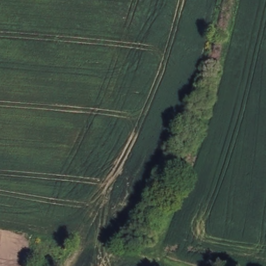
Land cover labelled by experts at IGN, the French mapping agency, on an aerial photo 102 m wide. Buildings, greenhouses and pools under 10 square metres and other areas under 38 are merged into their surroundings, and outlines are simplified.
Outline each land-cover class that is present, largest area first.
<instances>
[{"label":"agricultural land","instance_id":"1","mask_svg":"<svg viewBox=\"0 0 266 266\"><path fill-rule=\"evenodd\" d=\"M229 0H0V266H57L59 261L53 259L52 247L58 244L63 248L64 240L68 237L74 238L76 232L80 237L79 248L63 266H159L156 261L141 257L122 258L115 255L110 248V240L124 225H128L130 212L141 201L144 188L164 182L166 162L176 159L177 156L164 155L162 145L169 137H182L185 125L198 124L201 121V118L187 108L185 97L192 92L196 77L192 74L194 64L202 55V49L208 39L206 28L211 23L219 21V4H228ZM228 52L222 65L223 73L218 84L213 114L208 121L207 136L197 150L193 166L192 169L199 172L195 188L188 197L178 192L177 201L165 208L166 211L174 213L165 229L163 246L166 258L176 257L197 266H266V0H239L235 24L227 43Z\"/></svg>","mask_w":266,"mask_h":266},{"label":"deciduous trees","instance_id":"2","mask_svg":"<svg viewBox=\"0 0 266 266\"><path fill-rule=\"evenodd\" d=\"M193 166L185 158L177 156L176 159L166 162L164 182L144 188L141 201L130 212L128 225H124L110 240V248L115 255L122 258L141 257L145 249L142 239L149 236L153 230L161 233L165 229L174 213L166 211L165 208L177 201L178 192L188 197L195 188L199 172L192 169Z\"/></svg>","mask_w":266,"mask_h":266},{"label":"coniferous trees","instance_id":"3","mask_svg":"<svg viewBox=\"0 0 266 266\"><path fill-rule=\"evenodd\" d=\"M223 73L222 65L217 60L209 59V55H202L194 64L192 74L196 77L192 92L185 97L187 108L201 118V121L198 124L185 125L182 137H169L162 145L164 155L177 156L185 158L193 166L197 150L207 136L208 121L213 114L218 84Z\"/></svg>","mask_w":266,"mask_h":266},{"label":"brushwood","instance_id":"4","mask_svg":"<svg viewBox=\"0 0 266 266\"><path fill-rule=\"evenodd\" d=\"M239 0H229L228 4H219V21L211 23L206 28L208 39L202 49V55H209V59L217 60L222 65L228 52L227 43L235 24ZM80 237L76 232L74 238L68 237L64 240L63 248L58 244L52 247L53 259L59 261L57 266H63L79 248Z\"/></svg>","mask_w":266,"mask_h":266},{"label":"herbaceous vegetation","instance_id":"5","mask_svg":"<svg viewBox=\"0 0 266 266\"><path fill-rule=\"evenodd\" d=\"M165 229L161 233L153 230L149 236L142 239L145 249L141 257L156 261L159 266H197L176 257L166 258L163 246Z\"/></svg>","mask_w":266,"mask_h":266}]
</instances>
